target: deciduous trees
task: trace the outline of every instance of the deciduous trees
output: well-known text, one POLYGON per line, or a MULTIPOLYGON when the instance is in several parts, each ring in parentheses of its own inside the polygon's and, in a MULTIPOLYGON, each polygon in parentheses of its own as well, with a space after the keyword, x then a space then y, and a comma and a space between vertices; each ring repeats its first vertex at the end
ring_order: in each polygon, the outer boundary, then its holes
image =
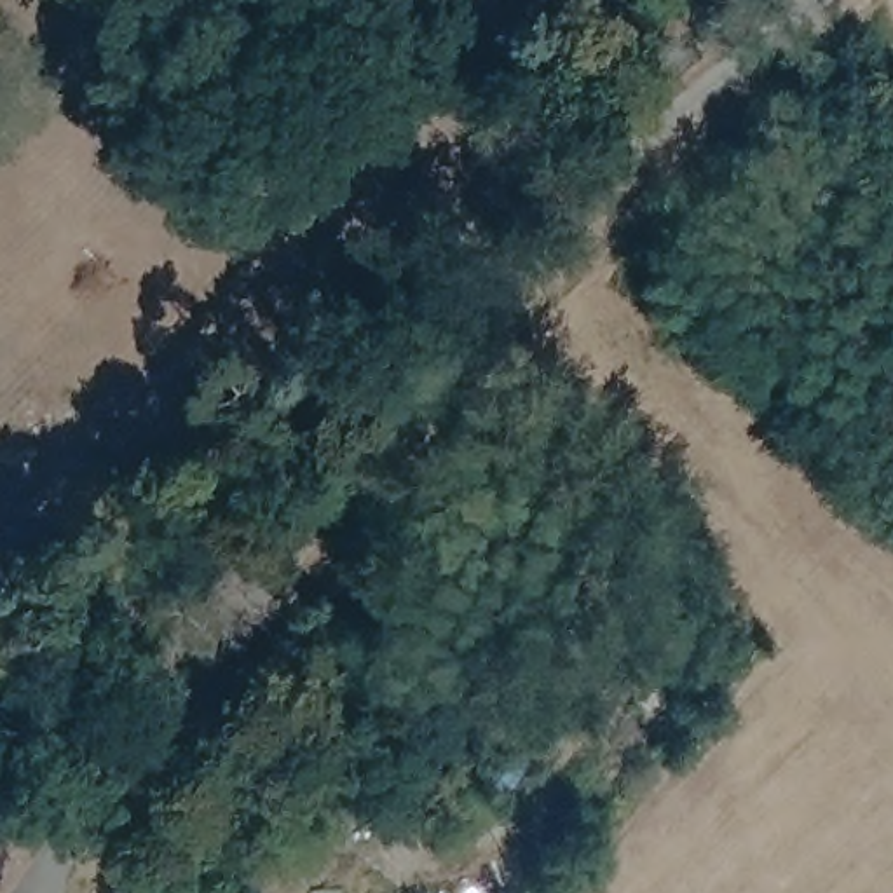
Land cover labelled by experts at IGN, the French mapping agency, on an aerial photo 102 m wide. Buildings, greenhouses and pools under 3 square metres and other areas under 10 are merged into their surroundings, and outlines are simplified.
POLYGON ((7 576, 17 590, 7 600, 0 600, 0 872, 10 844, 49 844, 56 851, 56 862, 59 862, 98 862, 98 876, 108 879, 108 886, 101 886, 98 893, 262 893, 265 879, 290 883, 300 876, 307 886, 328 879, 338 855, 349 851, 345 837, 356 830, 373 830, 384 844, 429 848, 433 855, 440 855, 460 841, 478 841, 495 823, 513 827, 516 788, 527 795, 544 788, 562 771, 555 764, 555 743, 579 733, 600 733, 603 719, 614 712, 614 701, 621 694, 635 694, 642 701, 649 694, 659 694, 659 712, 645 722, 645 736, 621 750, 617 764, 621 771, 642 778, 614 806, 596 792, 576 792, 579 820, 558 848, 548 848, 541 883, 527 890, 520 879, 506 872, 502 886, 495 886, 492 893, 603 893, 617 869, 614 827, 621 827, 635 813, 642 795, 656 781, 656 771, 684 771, 701 757, 708 743, 736 733, 740 712, 733 705, 733 684, 750 673, 757 659, 767 659, 774 652, 774 642, 760 617, 746 607, 746 593, 733 583, 722 544, 708 530, 701 509, 701 481, 684 471, 684 443, 656 440, 652 419, 638 408, 635 387, 628 380, 607 377, 607 384, 593 384, 579 373, 579 366, 569 356, 544 370, 530 359, 527 349, 520 349, 516 314, 527 310, 523 300, 534 297, 534 286, 551 279, 555 272, 576 272, 583 279, 593 269, 586 255, 586 230, 596 195, 624 178, 631 185, 645 157, 642 150, 631 150, 631 133, 638 126, 659 122, 673 94, 684 91, 680 80, 673 80, 673 73, 663 66, 663 52, 666 24, 691 17, 691 0, 635 0, 635 10, 649 17, 645 35, 638 35, 631 24, 617 17, 610 21, 600 0, 569 0, 562 14, 537 14, 534 42, 513 49, 513 59, 520 59, 516 73, 488 73, 474 91, 464 91, 464 84, 457 80, 457 59, 464 49, 474 45, 478 35, 478 14, 471 0, 70 0, 101 28, 101 84, 87 87, 87 94, 80 98, 98 122, 98 160, 105 164, 108 178, 119 188, 126 188, 129 199, 160 206, 167 230, 195 248, 223 251, 227 262, 237 262, 248 251, 262 251, 276 234, 310 230, 331 209, 345 206, 352 178, 359 171, 405 167, 412 160, 412 150, 422 147, 419 126, 433 115, 453 115, 460 122, 457 136, 471 140, 481 153, 495 147, 513 150, 513 164, 495 185, 495 199, 499 206, 516 209, 520 223, 513 223, 499 244, 460 244, 464 227, 450 220, 440 202, 433 202, 422 213, 419 237, 412 244, 394 244, 387 230, 373 230, 356 216, 345 220, 338 230, 342 248, 359 265, 377 272, 384 286, 366 290, 359 300, 349 300, 345 314, 310 317, 303 356, 293 359, 293 377, 286 384, 279 384, 265 370, 255 373, 237 356, 220 359, 202 377, 199 394, 188 401, 188 460, 181 464, 167 447, 153 440, 153 453, 140 464, 133 485, 112 481, 105 495, 94 502, 91 527, 77 544, 52 541, 42 548, 42 555, 14 555, 7 576), (290 408, 300 398, 314 398, 317 405, 324 405, 328 419, 321 419, 317 429, 293 433, 290 408), (373 478, 359 471, 359 460, 366 453, 387 453, 405 426, 426 433, 429 457, 419 460, 419 488, 401 488, 394 478, 373 478), (216 520, 202 537, 195 523, 206 516, 216 485, 230 478, 251 478, 255 464, 272 464, 276 492, 234 492, 230 509, 241 509, 237 520, 216 520), (192 746, 181 746, 174 740, 185 719, 188 680, 178 670, 178 663, 164 670, 160 649, 171 638, 167 607, 192 607, 209 600, 223 576, 241 576, 241 583, 262 586, 269 596, 283 586, 297 586, 297 579, 307 569, 297 565, 297 551, 303 544, 317 544, 317 534, 345 513, 352 495, 363 492, 384 502, 384 520, 370 520, 363 527, 370 551, 363 565, 342 572, 338 579, 366 607, 366 614, 380 621, 384 649, 363 649, 352 638, 352 628, 331 614, 331 603, 324 603, 310 607, 303 617, 293 621, 293 631, 303 635, 310 645, 310 663, 293 677, 269 673, 265 691, 248 691, 241 701, 223 701, 220 736, 199 740, 192 746))
POLYGON ((879 63, 848 63, 844 49, 830 56, 820 52, 820 35, 813 28, 792 24, 792 0, 726 0, 726 14, 705 24, 705 42, 722 45, 726 59, 736 63, 736 77, 750 77, 774 52, 785 52, 785 63, 799 66, 802 84, 792 94, 771 94, 771 101, 750 91, 726 119, 729 140, 740 150, 719 150, 715 167, 705 181, 666 185, 663 244, 656 244, 649 255, 645 290, 645 321, 652 324, 652 345, 687 363, 701 380, 708 380, 715 391, 726 391, 743 412, 750 412, 750 436, 760 440, 760 447, 774 460, 799 467, 820 492, 820 499, 834 509, 834 516, 841 516, 865 541, 893 555, 893 49, 879 63))
POLYGON ((38 136, 49 122, 63 115, 63 98, 59 87, 42 80, 38 38, 17 31, 17 24, 10 24, 0 14, 0 171, 14 160, 14 140, 24 143, 38 136))

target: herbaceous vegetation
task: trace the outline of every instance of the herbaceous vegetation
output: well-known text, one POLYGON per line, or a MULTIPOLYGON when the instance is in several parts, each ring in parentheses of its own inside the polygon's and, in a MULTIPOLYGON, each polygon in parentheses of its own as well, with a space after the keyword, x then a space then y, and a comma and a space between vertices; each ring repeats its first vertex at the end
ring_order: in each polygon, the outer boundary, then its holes
POLYGON ((0 171, 0 600, 7 600, 17 590, 7 576, 14 555, 42 555, 42 548, 52 541, 77 544, 91 527, 94 502, 105 495, 112 481, 133 485, 140 464, 153 453, 153 440, 167 447, 181 464, 188 460, 188 401, 199 394, 202 377, 220 359, 237 356, 255 373, 265 370, 279 384, 286 384, 293 377, 293 359, 303 356, 310 317, 345 314, 349 300, 359 300, 366 290, 384 286, 377 272, 359 265, 342 248, 338 230, 345 220, 356 216, 373 230, 387 230, 394 244, 412 244, 419 237, 422 213, 433 202, 440 202, 450 220, 464 227, 460 244, 499 244, 513 223, 520 223, 516 209, 499 206, 495 199, 495 185, 513 164, 513 150, 495 147, 481 153, 471 140, 457 136, 460 122, 453 115, 433 115, 419 126, 422 147, 412 150, 412 160, 405 167, 359 171, 352 178, 345 206, 331 209, 310 230, 276 234, 262 251, 248 251, 237 262, 227 262, 223 251, 195 248, 167 230, 160 206, 129 199, 126 188, 119 188, 108 178, 105 164, 98 160, 98 122, 80 98, 87 94, 87 87, 101 84, 101 28, 70 0, 0 0, 0 14, 10 24, 17 24, 17 31, 38 38, 42 80, 59 87, 63 98, 63 115, 49 122, 38 136, 24 143, 14 140, 14 160, 0 171))
POLYGON ((701 380, 687 363, 652 345, 652 324, 645 321, 645 290, 649 255, 656 244, 663 244, 666 185, 705 181, 715 167, 719 150, 740 150, 729 140, 726 119, 750 91, 771 101, 771 94, 792 94, 802 84, 799 66, 785 63, 785 52, 774 52, 750 77, 736 77, 705 101, 705 115, 698 122, 705 129, 705 140, 691 150, 680 150, 680 178, 659 174, 656 164, 645 157, 631 185, 617 202, 617 216, 610 223, 610 258, 593 269, 583 279, 576 272, 555 272, 551 279, 534 286, 534 297, 523 300, 527 310, 516 314, 520 349, 527 349, 530 359, 544 370, 569 356, 579 366, 579 373, 593 384, 607 384, 607 377, 628 380, 635 387, 638 408, 652 419, 656 440, 684 443, 684 471, 701 481, 701 509, 708 530, 722 544, 733 583, 746 593, 746 607, 760 617, 774 642, 774 652, 767 659, 757 659, 750 673, 733 684, 733 705, 740 712, 736 733, 708 743, 701 757, 684 771, 656 771, 656 781, 642 795, 635 813, 621 827, 614 827, 617 869, 603 893, 893 893, 893 555, 865 541, 841 516, 834 516, 834 509, 820 499, 820 492, 799 467, 774 460, 760 447, 760 440, 750 436, 750 412, 743 412, 726 391, 715 391, 708 380, 701 380))
POLYGON ((534 42, 537 14, 562 14, 569 0, 471 0, 478 14, 478 35, 474 45, 464 49, 457 59, 457 80, 464 84, 464 91, 474 91, 488 73, 516 73, 520 59, 513 59, 513 49, 534 42))
POLYGON ((59 862, 73 876, 73 886, 66 886, 66 893, 98 893, 101 886, 108 886, 108 879, 98 876, 98 862, 59 862))
POLYGON ((691 0, 691 17, 666 24, 663 52, 663 66, 673 73, 673 80, 680 80, 684 91, 708 66, 726 59, 722 45, 705 42, 705 24, 726 14, 726 0, 691 0))
POLYGON ((56 862, 56 851, 49 844, 10 844, 0 872, 0 893, 14 893, 24 869, 42 869, 56 862))
POLYGON ((276 492, 272 464, 255 464, 251 478, 230 478, 216 485, 206 516, 195 523, 202 537, 216 520, 237 520, 241 509, 230 509, 234 492, 276 492))
POLYGON ((631 24, 638 35, 645 35, 649 17, 635 10, 635 0, 600 0, 610 21, 617 17, 631 24))
POLYGON ((290 408, 293 433, 317 429, 321 419, 328 419, 324 405, 317 405, 314 398, 300 398, 290 408))
POLYGON ((380 621, 366 614, 366 607, 338 579, 331 583, 331 596, 324 603, 331 603, 331 614, 352 628, 352 638, 363 649, 384 649, 380 621))
POLYGON ((820 52, 830 56, 844 49, 848 63, 879 63, 893 49, 893 0, 844 0, 841 7, 827 7, 827 17, 834 24, 820 35, 820 52))
POLYGON ((495 823, 478 841, 460 841, 440 855, 433 855, 429 848, 384 844, 373 830, 356 830, 345 837, 349 851, 338 855, 328 879, 307 886, 300 876, 290 883, 265 879, 262 893, 492 893, 495 886, 502 886, 506 872, 520 879, 527 890, 541 883, 548 848, 558 848, 579 820, 576 792, 596 792, 614 806, 642 778, 621 771, 617 764, 621 750, 645 736, 645 722, 659 712, 659 694, 649 694, 642 701, 635 694, 621 694, 614 701, 614 712, 603 719, 600 733, 579 733, 555 743, 555 764, 562 771, 544 788, 527 795, 516 788, 513 827, 495 823))

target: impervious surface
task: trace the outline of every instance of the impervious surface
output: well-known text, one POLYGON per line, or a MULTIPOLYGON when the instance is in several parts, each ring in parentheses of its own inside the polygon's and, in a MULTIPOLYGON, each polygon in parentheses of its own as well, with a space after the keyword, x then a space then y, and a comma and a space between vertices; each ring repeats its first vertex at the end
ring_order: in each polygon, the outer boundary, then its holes
POLYGON ((426 433, 405 426, 387 453, 366 453, 359 460, 359 471, 373 478, 394 478, 401 488, 419 488, 419 460, 429 457, 426 433))
POLYGON ((624 178, 596 195, 586 230, 586 255, 593 269, 610 258, 610 223, 617 216, 617 202, 631 185, 624 178))
POLYGON ((680 178, 680 150, 691 150, 705 140, 705 129, 698 122, 705 115, 705 101, 736 77, 736 63, 726 59, 708 66, 684 91, 673 94, 659 122, 638 126, 631 133, 631 150, 642 150, 645 157, 656 164, 659 174, 680 178))
POLYGON ((14 893, 66 893, 66 886, 73 886, 73 876, 59 862, 56 862, 42 869, 24 869, 14 893))
POLYGON ((248 691, 265 691, 269 673, 293 677, 310 663, 310 645, 303 635, 293 631, 293 621, 303 617, 310 607, 324 603, 331 596, 331 583, 338 579, 342 572, 363 565, 370 551, 363 527, 370 520, 384 520, 384 502, 363 492, 352 495, 345 513, 317 534, 317 544, 303 544, 297 551, 297 565, 307 569, 297 579, 297 586, 283 586, 269 596, 262 586, 241 583, 241 576, 223 576, 209 600, 192 607, 167 607, 171 638, 160 649, 164 670, 178 663, 178 670, 188 680, 185 719, 174 740, 181 746, 192 746, 199 740, 220 736, 223 701, 241 701, 248 691))
POLYGON ((827 17, 827 7, 841 7, 844 0, 792 0, 792 24, 813 28, 820 35, 834 24, 827 17))

